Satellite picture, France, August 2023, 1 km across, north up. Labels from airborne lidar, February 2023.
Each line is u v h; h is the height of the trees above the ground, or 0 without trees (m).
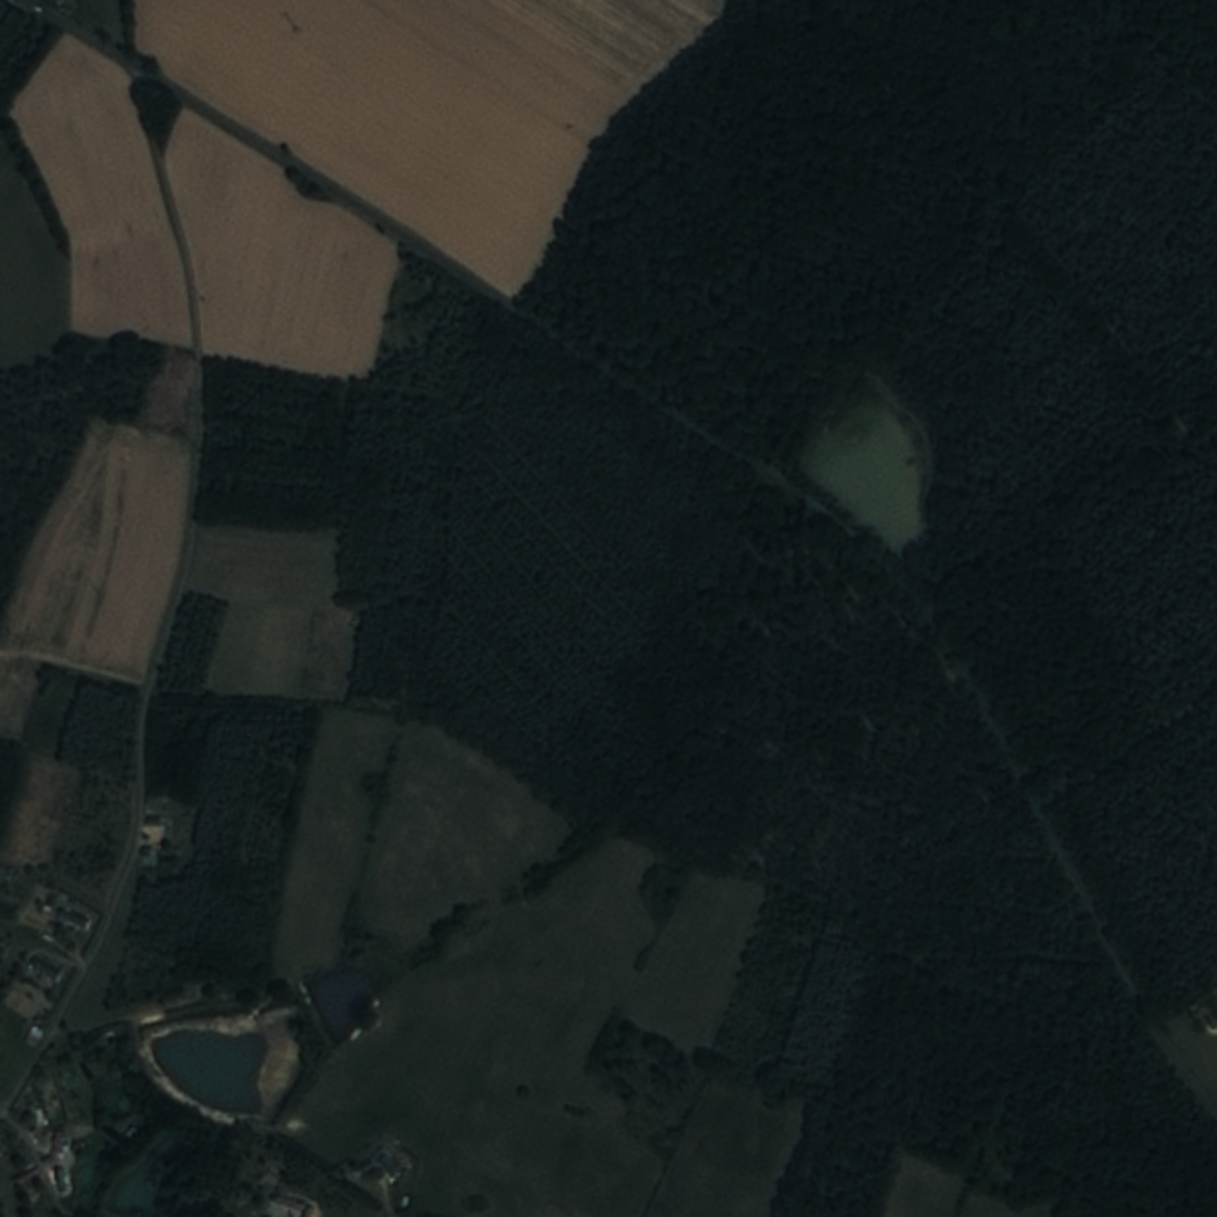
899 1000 14
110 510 0
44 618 0
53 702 0
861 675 15
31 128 0
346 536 12
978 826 16
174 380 0
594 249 20
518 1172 0
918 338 20
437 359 11
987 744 15
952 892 14
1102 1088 15
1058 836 14
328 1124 0
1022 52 20
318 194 11
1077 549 14
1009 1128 16
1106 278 11
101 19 0
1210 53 13
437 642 15
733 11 14
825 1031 14
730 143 21
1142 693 14
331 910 0
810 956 8
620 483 13
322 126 0
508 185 0
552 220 0
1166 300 15
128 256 0
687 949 0
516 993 0
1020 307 16
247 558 0
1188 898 11
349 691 6
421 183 0
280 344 0
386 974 0
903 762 14
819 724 17
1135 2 22
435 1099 0
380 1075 0
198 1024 0
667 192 18
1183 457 24
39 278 0
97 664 0
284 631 0
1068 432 17
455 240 0
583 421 14
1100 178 14
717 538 15
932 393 17
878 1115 22
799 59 17
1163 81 17
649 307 21
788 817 15
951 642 16
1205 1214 17
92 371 16
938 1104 16
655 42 0
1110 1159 19
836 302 25
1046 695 19
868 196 19
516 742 9
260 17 0
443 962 0
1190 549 16
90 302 0
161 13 0
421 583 14
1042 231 17
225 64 0
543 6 0
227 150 0
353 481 11
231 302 0
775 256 25
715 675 18
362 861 0
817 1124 21
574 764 14
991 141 16
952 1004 14
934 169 19
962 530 13
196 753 9
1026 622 21
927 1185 0
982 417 12
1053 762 14
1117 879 16
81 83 0
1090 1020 15
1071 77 23
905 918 18
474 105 0
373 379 12
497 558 14
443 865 0
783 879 15
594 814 15
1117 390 15
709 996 0
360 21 0
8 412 15
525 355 10
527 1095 7
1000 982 17
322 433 13
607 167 20
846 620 18
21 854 0
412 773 0
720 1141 0
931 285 20
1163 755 17
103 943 0
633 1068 15
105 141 0
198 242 0
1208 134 15
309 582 0
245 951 9
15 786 10
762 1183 0
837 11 16
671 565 11
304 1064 12
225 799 12
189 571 0
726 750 21
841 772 14
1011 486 19
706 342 18
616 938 0
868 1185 20
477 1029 0
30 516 9
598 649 12
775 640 29
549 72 0
